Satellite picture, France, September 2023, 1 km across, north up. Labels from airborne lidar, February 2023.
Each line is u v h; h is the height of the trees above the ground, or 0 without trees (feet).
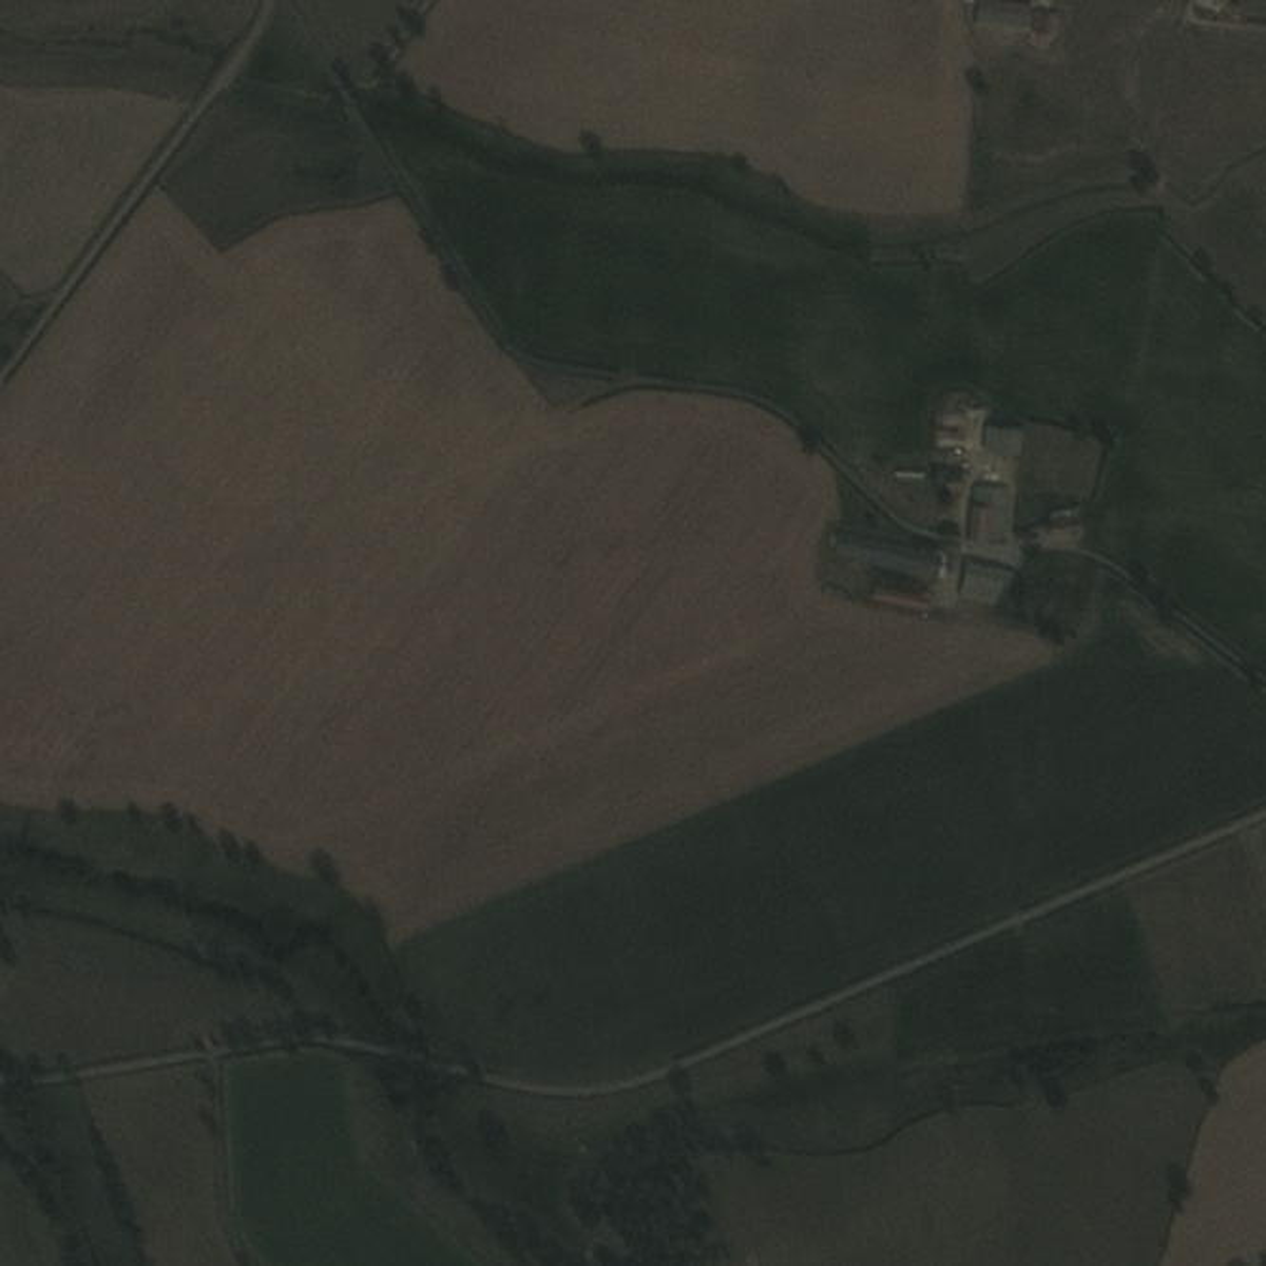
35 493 0
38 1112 0
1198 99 0
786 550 0
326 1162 0
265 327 0
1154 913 0
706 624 0
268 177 0
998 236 0
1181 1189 56
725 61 0
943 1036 0
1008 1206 0
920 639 0
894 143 0
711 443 0
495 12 0
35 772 0
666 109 0
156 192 0
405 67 0
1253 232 0
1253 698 0
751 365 0
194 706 0
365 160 0
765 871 0
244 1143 0
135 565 0
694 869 0
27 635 0
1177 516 0
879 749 0
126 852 0
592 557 0
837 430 0
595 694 0
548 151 0
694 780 0
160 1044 0
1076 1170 0
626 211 0
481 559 0
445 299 0
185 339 0
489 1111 0
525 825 0
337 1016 0
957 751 0
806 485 0
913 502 0
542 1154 0
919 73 0
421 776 0
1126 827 0
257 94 0
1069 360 0
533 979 0
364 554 0
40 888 0
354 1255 0
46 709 0
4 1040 0
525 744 0
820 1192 0
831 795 0
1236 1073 0
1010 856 0
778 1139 0
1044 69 0
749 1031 0
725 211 0
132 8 0
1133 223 0
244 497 0
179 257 0
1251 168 0
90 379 0
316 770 0
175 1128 0
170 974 0
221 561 0
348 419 0
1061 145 0
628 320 0
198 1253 0
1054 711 0
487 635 0
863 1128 0
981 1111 0
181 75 0
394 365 0
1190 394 0
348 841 0
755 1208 0
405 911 0
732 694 0
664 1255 52
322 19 0
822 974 0
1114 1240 0
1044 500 0
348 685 0
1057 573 0
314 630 0
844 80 0
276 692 0
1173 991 0
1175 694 0
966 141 0
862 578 0
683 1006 0
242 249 0
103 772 0
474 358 0
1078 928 0
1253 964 0
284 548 0
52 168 0
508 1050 0
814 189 0
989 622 0
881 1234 0
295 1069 0
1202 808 0
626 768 0
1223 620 0
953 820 0
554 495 0
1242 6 0
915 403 0
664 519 0
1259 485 0
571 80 0
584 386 0
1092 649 0
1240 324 0
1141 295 0
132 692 0
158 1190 0
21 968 0
